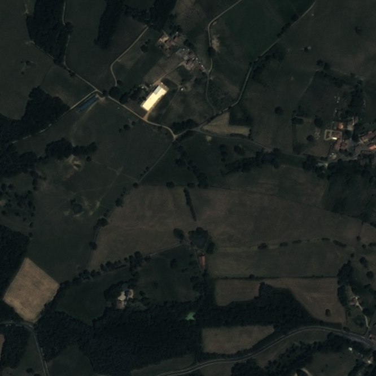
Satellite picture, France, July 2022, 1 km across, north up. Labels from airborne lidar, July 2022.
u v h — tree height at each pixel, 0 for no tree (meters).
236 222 0
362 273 0
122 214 0
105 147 0
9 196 22
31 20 16
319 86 0
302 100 0
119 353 26
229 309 6
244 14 0
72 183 0
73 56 0
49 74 0
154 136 0
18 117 0
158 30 14
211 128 0
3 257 9
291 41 0
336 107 0
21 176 0
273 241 0
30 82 0
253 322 17
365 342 0
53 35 18
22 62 7
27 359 0
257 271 0
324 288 0
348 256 0
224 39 0
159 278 0
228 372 0
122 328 24
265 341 15
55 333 21
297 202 0
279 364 10
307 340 0
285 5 0
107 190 0
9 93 0
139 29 0
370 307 0
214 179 0
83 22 0
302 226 0
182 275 0
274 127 0
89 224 0
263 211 0
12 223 0
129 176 0
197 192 0
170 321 17
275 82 0
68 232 0
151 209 0
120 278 0
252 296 0
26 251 13
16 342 24
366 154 9
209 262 0
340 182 0
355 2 0
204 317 21
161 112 0
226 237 0
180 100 0
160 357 14
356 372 19
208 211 0
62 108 17
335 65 0
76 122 0
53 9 27
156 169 0
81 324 19
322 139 0
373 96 0
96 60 0
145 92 6
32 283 0
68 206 0
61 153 14
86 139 0
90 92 0
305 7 0
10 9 0
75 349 0
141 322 22
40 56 0
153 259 0
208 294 7
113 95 18
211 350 0
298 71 0
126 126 11
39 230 0
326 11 0
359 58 0
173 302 13
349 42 0
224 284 0
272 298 21
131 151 0
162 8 14
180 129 13
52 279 0
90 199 0
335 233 0
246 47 0
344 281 14
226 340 0
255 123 0
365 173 17
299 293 0
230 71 0
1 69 0
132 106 0
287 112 0
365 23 0
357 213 0
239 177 0
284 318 15
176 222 0
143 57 0
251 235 0
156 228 0
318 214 0
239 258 0
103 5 0
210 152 0
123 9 18
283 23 0
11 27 0
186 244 0
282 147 0
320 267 0
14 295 0
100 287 0
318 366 0
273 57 10
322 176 16
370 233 0
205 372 0
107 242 0
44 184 0
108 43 15
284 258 0
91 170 0
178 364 0
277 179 0
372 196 7
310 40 0
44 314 15
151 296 0
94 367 16
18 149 0
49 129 0
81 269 0
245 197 0
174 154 0
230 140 0
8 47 0
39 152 0
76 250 0
